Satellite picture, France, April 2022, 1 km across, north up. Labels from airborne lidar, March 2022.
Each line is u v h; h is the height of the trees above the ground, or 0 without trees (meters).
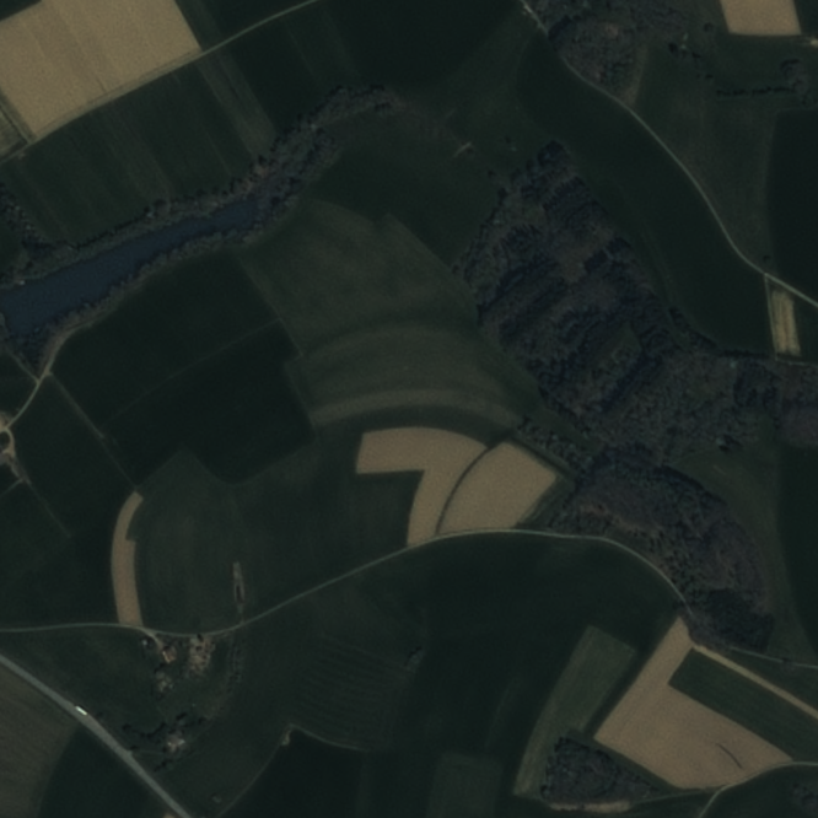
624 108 0
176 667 0
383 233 0
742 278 0
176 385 0
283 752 0
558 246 25
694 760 0
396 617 0
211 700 0
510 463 0
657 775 0
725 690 0
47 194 0
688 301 0
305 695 0
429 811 0
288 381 0
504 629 0
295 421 0
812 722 0
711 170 0
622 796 19
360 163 0
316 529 0
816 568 0
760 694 0
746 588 23
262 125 0
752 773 0
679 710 0
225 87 0
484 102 0
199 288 0
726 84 0
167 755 11
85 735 0
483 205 0
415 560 0
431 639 0
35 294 0
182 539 0
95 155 0
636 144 0
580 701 0
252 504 0
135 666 0
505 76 0
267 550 0
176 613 0
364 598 0
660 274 0
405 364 0
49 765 0
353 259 0
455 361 0
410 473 0
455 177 0
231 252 0
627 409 28
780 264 0
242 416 0
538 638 0
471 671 0
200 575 0
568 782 20
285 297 0
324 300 0
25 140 0
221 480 0
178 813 0
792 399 0
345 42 0
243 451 0
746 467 0
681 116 0
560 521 12
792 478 0
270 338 0
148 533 0
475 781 0
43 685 0
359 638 0
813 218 0
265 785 0
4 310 0
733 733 0
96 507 0
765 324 0
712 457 0
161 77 0
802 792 9
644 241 0
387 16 0
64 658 0
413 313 0
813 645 0
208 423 0
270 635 0
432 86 0
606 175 0
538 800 0
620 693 0
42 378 0
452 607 0
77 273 0
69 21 0
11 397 0
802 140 0
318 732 0
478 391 0
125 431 0
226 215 0
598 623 0
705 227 0
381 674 0
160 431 0
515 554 0
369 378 0
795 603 0
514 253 28
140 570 0
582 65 18
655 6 21
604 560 0
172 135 0
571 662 0
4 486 0
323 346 0
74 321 19
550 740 0
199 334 0
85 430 0
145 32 0
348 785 0
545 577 0
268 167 17
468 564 0
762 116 0
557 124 0
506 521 0
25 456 0
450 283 0
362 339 0
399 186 0
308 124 18
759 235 0
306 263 0
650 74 0
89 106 0
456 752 0
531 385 0
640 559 0
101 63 0
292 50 0
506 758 0
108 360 0
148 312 0
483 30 0
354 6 0
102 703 0
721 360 18
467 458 0
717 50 0
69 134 0
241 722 0
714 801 0
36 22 0
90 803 0
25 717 0
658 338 26
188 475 0
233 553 0
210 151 0
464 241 0
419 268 0
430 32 0
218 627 0
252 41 0
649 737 0
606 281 21
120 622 0
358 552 0
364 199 0
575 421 27
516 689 0
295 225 0
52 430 0
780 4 0
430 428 0
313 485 0
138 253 0
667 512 33
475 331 0
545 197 29
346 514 0
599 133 0
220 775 0
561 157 27
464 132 0
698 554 27
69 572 0
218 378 0
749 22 0
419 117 0
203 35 0
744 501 0
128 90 0
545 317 20
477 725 0
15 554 0
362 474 0
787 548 0
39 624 0
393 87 0
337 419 0
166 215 22
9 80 0
